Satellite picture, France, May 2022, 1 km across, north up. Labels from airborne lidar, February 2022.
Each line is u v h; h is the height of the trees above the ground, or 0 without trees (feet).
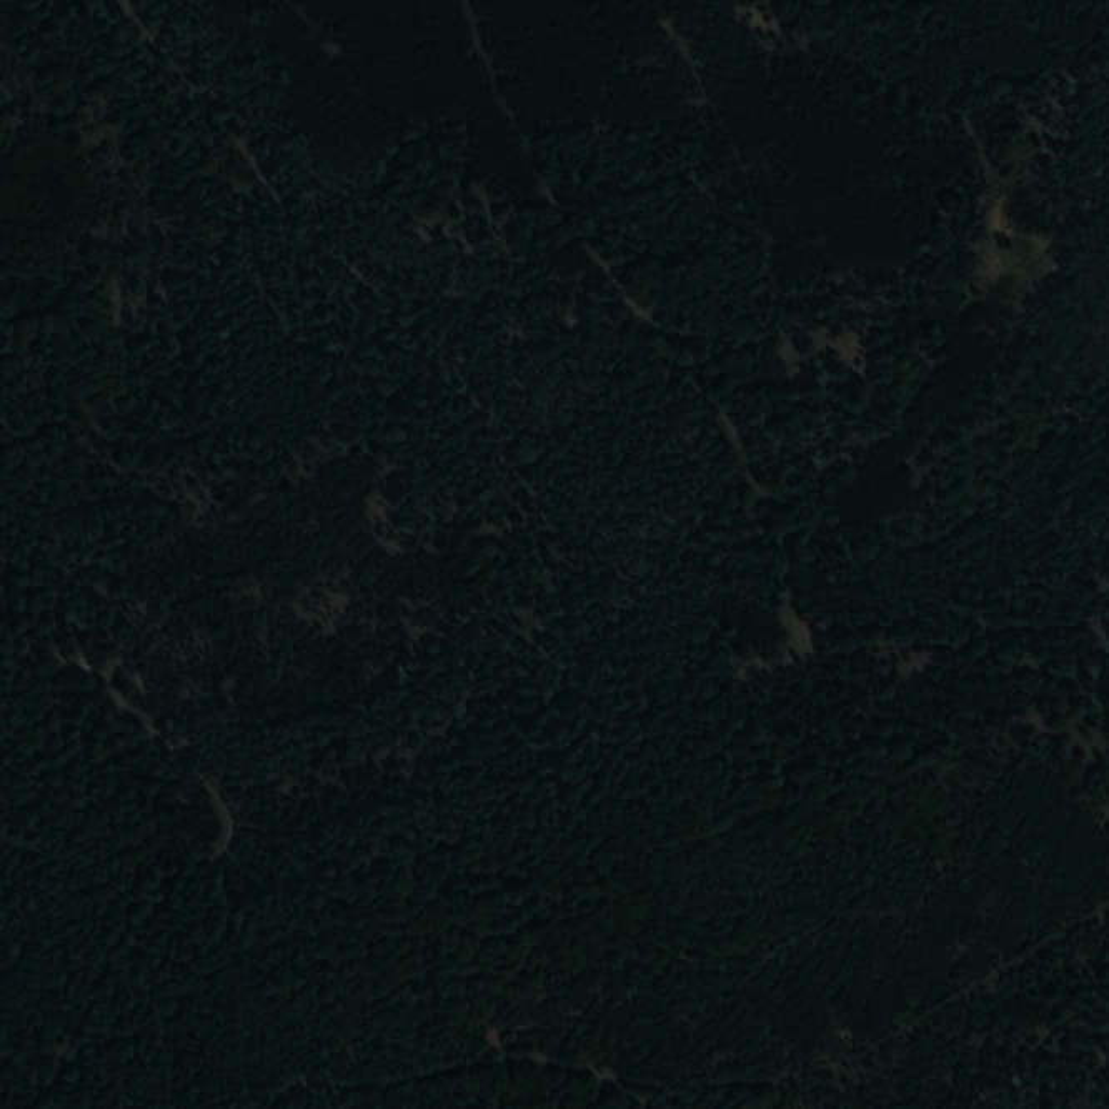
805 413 92
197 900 53
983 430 100
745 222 48
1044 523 112
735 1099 54
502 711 117
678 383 94
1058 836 31
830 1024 29
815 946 31
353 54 44
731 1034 31
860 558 71
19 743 36
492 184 52
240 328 94
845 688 57
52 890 67
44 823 77
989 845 27
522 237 76
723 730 98
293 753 99
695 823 74
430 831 83
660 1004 24
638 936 64
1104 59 78
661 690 102
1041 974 23
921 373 33
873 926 29
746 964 56
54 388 59
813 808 89
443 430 115
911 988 27
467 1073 60
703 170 71
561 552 95
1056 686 42
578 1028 30
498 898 91
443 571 33
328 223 97
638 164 95
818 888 65
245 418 95
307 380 90
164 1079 72
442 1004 70
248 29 36
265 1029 57
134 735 54
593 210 100
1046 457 69
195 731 85
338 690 53
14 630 74
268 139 73
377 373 121
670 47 40
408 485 93
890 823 72
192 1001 81
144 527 72
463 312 95
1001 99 106
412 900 85
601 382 83
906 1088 47
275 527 34
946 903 33
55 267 25
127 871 62
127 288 21
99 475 44
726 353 94
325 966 97
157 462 92
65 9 79
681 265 90
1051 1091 85
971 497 86
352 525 31
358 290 33
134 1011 62
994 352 39
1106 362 112
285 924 91
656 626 95
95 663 89
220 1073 74
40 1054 50
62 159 35
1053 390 103
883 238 49
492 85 54
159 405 100
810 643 0
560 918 39
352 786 57
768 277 45
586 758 94
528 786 98
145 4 104
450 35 56
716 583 75
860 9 75
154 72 120
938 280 97
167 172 35
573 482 77
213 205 46
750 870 60
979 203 88
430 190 73
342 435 85
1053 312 89
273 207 105
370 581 32
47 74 56
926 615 104
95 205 22
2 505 97
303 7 45
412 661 108
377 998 71
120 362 86
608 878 77
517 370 73
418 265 56
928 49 71
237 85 82
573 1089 72
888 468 49
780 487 84
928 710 55
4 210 38
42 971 74
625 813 102
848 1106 20
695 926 61
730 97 49
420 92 50
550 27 39
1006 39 65
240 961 84
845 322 72
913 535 32
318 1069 58
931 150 54
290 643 32
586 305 85
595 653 96
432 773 99
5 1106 85
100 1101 83
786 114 51
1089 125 108
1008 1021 29
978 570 67
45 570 98
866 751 82
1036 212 35
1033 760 29
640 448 82
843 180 47
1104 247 100
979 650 80
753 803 89
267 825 38
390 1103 60
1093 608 41
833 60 52
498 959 77
